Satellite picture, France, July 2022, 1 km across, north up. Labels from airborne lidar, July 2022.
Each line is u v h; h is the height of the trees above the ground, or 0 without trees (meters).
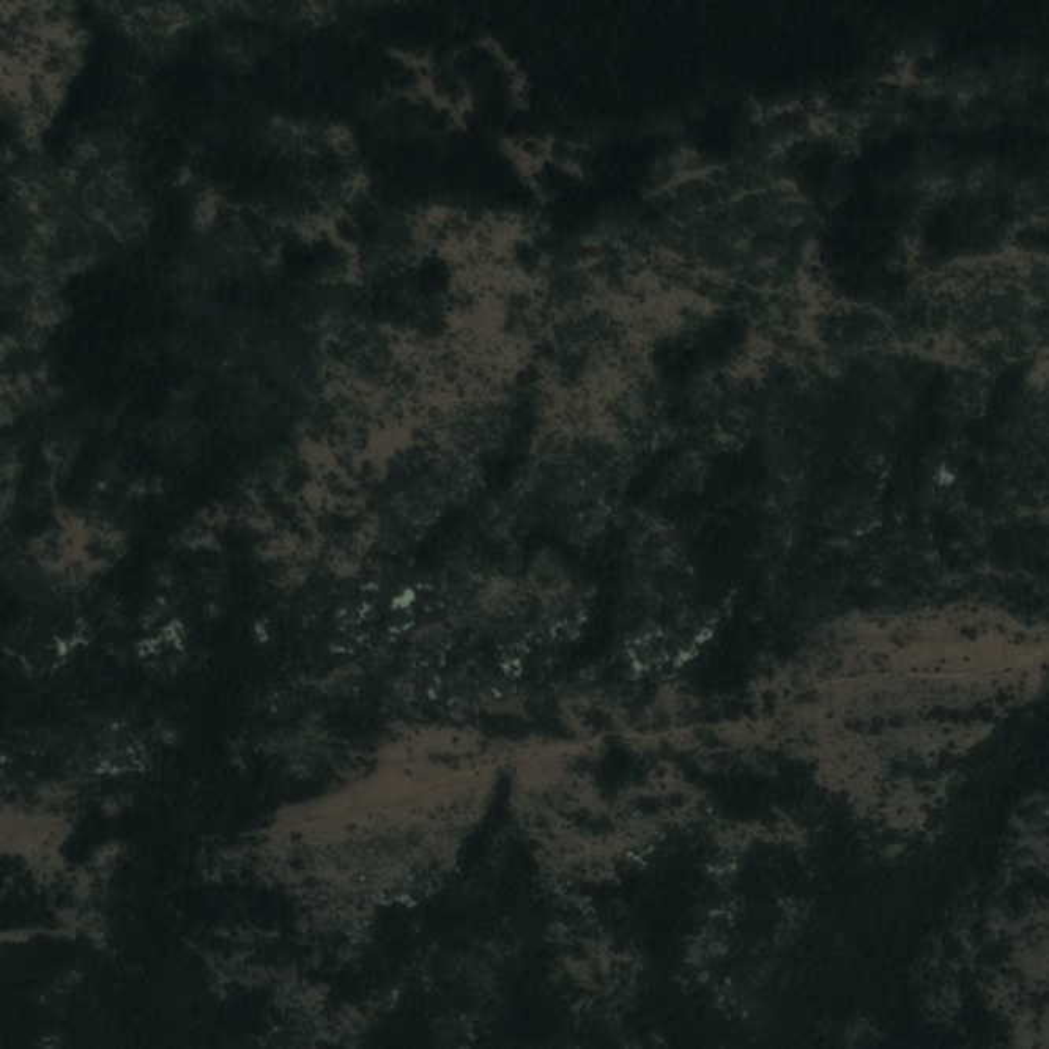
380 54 6
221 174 7
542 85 10
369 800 0
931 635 0
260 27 7
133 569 11
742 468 9
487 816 7
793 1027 9
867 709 0
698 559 7
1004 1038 6
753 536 7
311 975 7
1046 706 6
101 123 7
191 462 6
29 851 0
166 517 8
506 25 9
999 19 11
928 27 8
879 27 5
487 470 6
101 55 12
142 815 11
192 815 8
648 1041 7
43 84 0
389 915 8
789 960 8
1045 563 7
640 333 0
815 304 0
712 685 8
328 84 11
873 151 10
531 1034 10
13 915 8
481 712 6
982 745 7
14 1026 15
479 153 10
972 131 5
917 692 0
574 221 9
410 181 11
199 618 11
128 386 7
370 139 10
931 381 7
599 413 0
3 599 9
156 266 7
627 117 7
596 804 0
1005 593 6
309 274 5
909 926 6
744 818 7
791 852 6
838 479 6
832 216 6
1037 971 0
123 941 10
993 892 6
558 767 0
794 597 6
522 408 6
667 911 11
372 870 0
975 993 6
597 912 6
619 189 11
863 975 11
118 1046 14
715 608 6
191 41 10
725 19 10
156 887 10
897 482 10
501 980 6
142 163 10
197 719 10
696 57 10
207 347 6
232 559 8
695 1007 9
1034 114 6
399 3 6
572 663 6
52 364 8
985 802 6
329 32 6
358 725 6
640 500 6
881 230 6
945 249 7
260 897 7
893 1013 6
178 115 10
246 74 6
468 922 9
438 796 0
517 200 11
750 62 11
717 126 12
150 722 8
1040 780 6
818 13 13
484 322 0
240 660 6
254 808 7
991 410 9
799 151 6
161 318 7
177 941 7
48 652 6
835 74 8
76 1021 10
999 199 6
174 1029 9
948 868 10
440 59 6
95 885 5
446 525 7
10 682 6
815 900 7
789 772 7
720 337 6
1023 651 0
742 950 5
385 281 7
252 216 6
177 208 11
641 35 9
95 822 8
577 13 10
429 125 6
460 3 7
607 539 7
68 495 9
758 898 7
